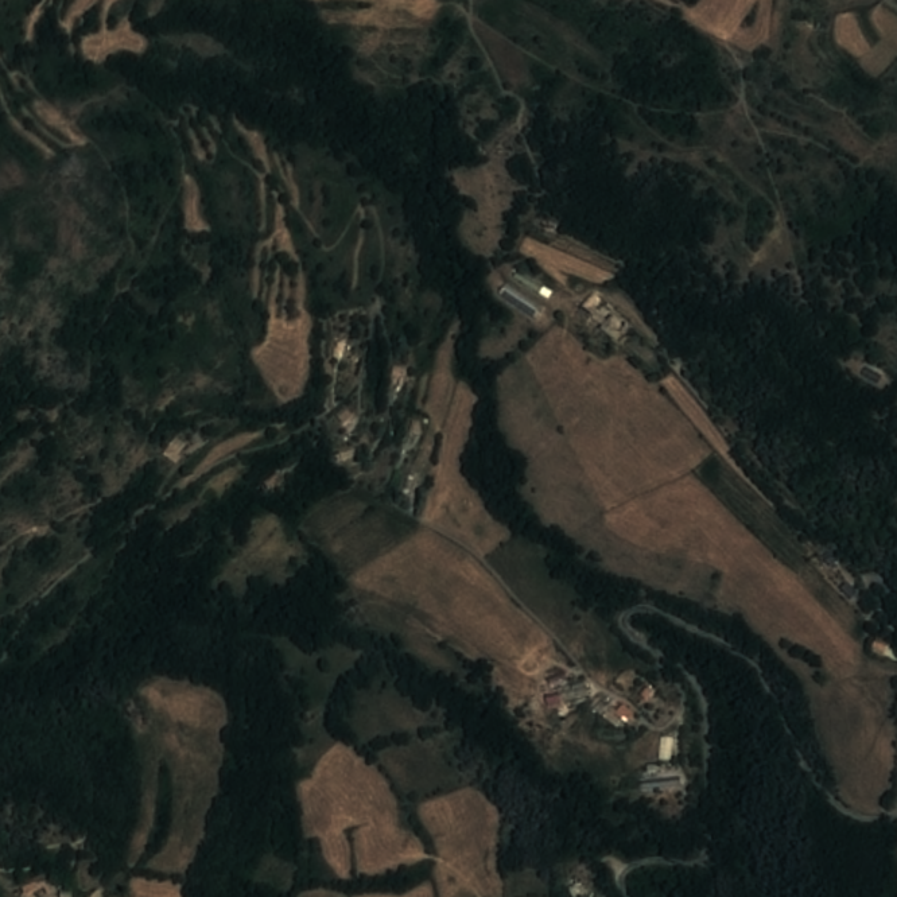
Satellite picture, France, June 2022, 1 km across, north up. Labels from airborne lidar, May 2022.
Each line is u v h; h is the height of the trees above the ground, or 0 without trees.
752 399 14
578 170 12
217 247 11
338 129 12
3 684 25
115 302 9
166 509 11
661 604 11
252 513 9
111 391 14
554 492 0
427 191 16
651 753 0
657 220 15
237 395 10
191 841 0
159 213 7
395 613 0
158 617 23
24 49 8
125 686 8
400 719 0
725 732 21
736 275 10
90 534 9
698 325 11
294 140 10
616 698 0
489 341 0
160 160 9
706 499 0
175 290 12
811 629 0
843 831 5
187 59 9
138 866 7
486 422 18
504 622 0
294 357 0
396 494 18
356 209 0
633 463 0
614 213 14
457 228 8
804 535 11
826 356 15
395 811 0
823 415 12
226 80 18
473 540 0
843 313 10
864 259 14
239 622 19
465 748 16
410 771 0
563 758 0
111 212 0
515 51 0
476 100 0
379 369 6
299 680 10
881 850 7
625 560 0
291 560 7
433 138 10
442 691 17
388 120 9
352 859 0
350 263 0
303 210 0
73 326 12
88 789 15
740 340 8
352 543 0
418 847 0
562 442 0
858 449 8
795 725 12
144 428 10
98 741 17
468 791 0
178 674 17
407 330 10
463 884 0
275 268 8
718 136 0
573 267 0
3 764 17
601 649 0
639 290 15
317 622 17
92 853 9
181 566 15
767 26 0
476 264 12
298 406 16
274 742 18
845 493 10
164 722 0
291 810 13
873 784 0
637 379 0
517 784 21
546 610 0
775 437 12
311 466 8
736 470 0
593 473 0
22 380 13
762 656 10
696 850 16
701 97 8
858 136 0
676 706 0
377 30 0
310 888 10
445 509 0
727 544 0
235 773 11
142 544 14
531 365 0
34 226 0
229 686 15
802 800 20
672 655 14
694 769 7
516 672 0
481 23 0
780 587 0
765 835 19
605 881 15
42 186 0
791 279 16
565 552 6
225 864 14
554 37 0
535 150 9
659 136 0
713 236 8
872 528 11
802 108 0
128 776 14
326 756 0
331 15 0
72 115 0
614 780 0
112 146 0
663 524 0
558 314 10
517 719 7
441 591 0
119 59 13
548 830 21
